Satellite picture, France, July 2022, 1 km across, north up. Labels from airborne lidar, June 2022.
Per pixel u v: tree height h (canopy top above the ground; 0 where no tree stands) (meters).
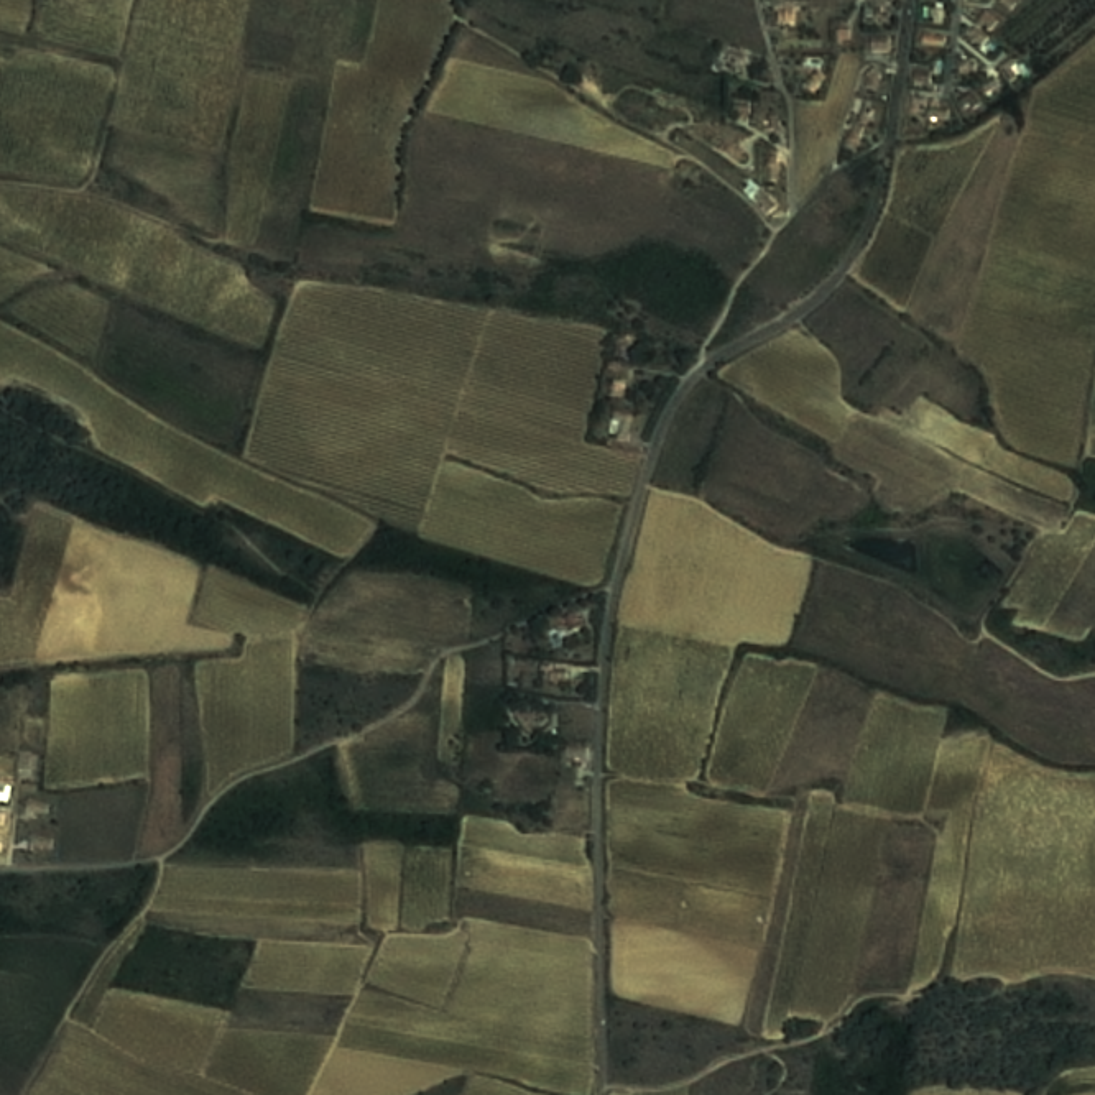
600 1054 0
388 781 0
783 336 0
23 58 0
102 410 0
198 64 0
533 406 0
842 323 0
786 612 0
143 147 0
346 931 0
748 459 0
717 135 0
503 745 10
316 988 0
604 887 0
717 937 0
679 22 0
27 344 0
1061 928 0
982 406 8
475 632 0
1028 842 0
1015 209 0
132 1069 0
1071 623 0
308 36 0
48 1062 0
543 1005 0
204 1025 0
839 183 0
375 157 0
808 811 0
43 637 0
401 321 0
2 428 7
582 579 0
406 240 0
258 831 8
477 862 0
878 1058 12
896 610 0
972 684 0
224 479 0
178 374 0
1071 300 0
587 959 0
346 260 0
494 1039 0
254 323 0
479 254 0
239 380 0
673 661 0
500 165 0
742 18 0
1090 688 0
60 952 0
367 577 0
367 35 0
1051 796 0
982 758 0
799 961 0
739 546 0
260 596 0
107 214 0
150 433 0
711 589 0
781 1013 0
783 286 0
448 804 0
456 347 0
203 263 0
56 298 0
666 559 0
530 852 0
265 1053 0
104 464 8
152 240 0
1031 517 0
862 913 0
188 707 0
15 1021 0
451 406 0
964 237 0
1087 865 0
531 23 0
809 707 0
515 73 0
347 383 0
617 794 0
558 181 0
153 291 0
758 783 0
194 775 0
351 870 0
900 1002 0
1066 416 0
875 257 0
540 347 0
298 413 0
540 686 10
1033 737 0
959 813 0
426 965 0
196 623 0
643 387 10
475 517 0
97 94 0
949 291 0
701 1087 0
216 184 0
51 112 0
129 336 0
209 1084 0
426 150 0
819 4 0
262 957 0
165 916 0
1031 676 0
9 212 0
